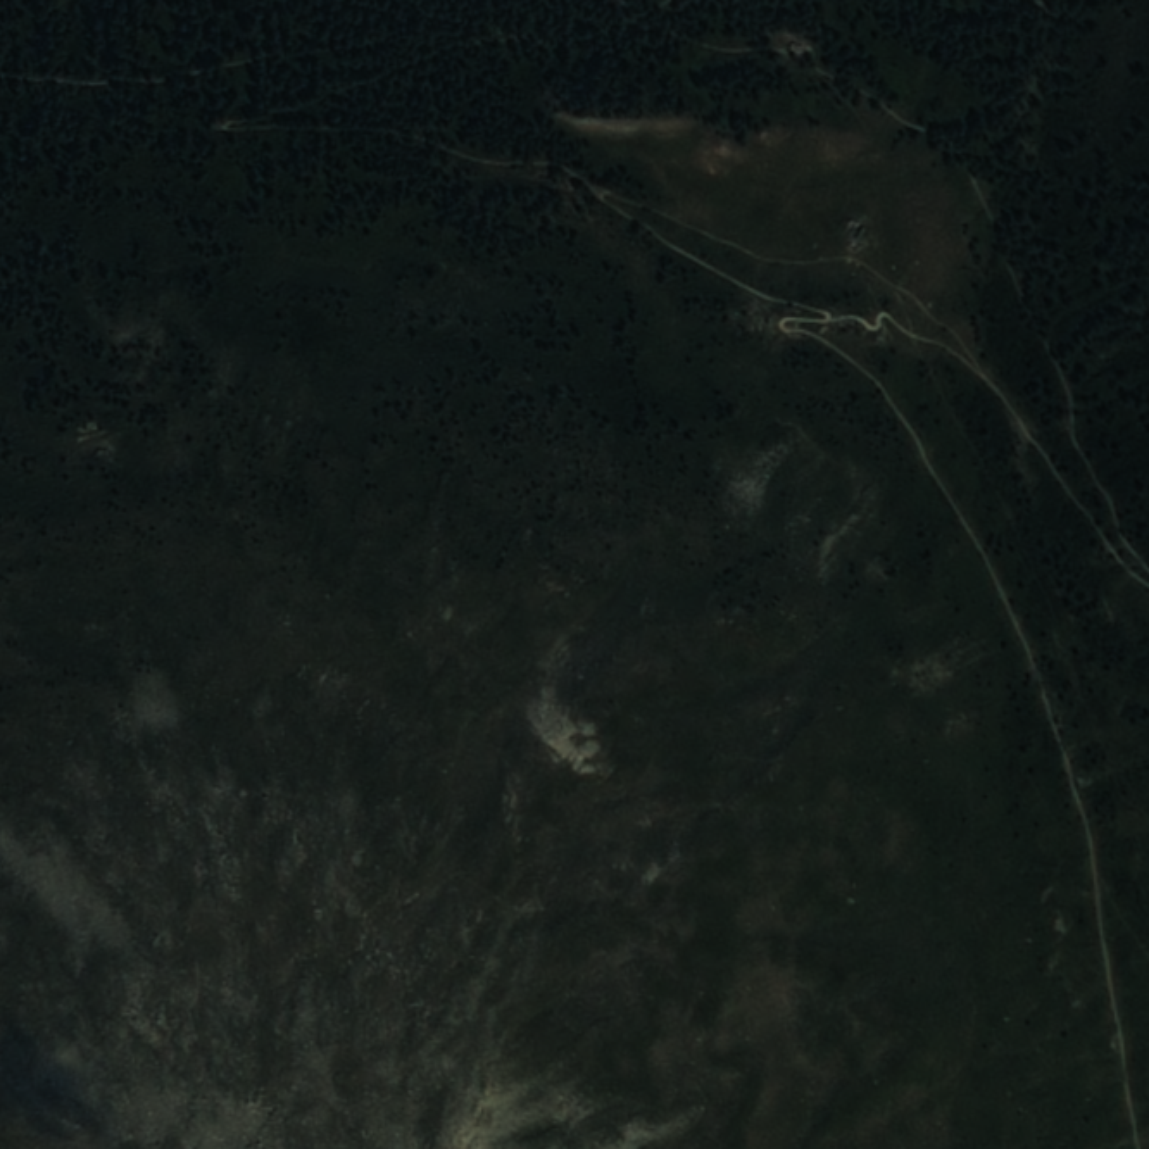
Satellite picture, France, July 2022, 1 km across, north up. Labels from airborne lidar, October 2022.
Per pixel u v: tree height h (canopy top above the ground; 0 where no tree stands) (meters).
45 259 11
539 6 22
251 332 0
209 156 11
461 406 0
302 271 0
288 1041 0
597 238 0
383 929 0
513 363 0
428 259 0
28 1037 0
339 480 0
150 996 0
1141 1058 0
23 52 12
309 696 0
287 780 0
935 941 0
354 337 0
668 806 0
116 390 7
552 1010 0
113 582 0
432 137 16
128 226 0
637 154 0
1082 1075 0
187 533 0
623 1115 0
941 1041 0
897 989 0
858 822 0
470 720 0
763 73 17
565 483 0
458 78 14
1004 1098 0
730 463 0
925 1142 0
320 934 0
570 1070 0
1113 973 0
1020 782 0
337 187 10
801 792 0
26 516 0
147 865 0
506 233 10
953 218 0
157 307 0
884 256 0
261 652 0
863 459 0
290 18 20
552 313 7
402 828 0
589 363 0
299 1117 0
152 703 0
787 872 0
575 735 0
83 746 0
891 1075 0
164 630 0
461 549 0
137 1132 0
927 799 0
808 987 0
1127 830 0
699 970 0
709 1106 0
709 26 16
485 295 0
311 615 0
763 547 0
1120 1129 0
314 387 0
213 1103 0
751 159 0
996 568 0
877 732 0
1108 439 5
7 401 0
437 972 0
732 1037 0
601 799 0
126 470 0
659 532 0
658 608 0
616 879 0
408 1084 0
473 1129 0
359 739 0
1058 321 10
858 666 0
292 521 0
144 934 0
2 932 0
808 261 0
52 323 11
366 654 0
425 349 0
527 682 0
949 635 0
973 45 19
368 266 0
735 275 0
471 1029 0
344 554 0
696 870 0
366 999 0
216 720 0
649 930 0
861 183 0
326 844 0
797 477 0
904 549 0
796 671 0
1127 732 0
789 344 0
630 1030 0
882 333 0
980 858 0
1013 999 0
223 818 0
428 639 0
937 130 13
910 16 18
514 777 0
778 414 0
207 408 0
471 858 0
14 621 0
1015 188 10
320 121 11
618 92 15
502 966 0
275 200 10
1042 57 18
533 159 9
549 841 0
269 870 0
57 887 0
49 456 0
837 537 0
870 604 0
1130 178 6
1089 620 10
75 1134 0
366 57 17
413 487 0
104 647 0
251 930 0
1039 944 0
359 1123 0
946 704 0
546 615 0
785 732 0
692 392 0
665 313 0
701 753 0
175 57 15
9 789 0
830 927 0
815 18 11
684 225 0
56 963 0
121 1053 0
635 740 0
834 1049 0
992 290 5
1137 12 5
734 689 0
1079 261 7
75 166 11
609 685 0
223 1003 0
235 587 0
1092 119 6
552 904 0
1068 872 0
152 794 0
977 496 0
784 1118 0
